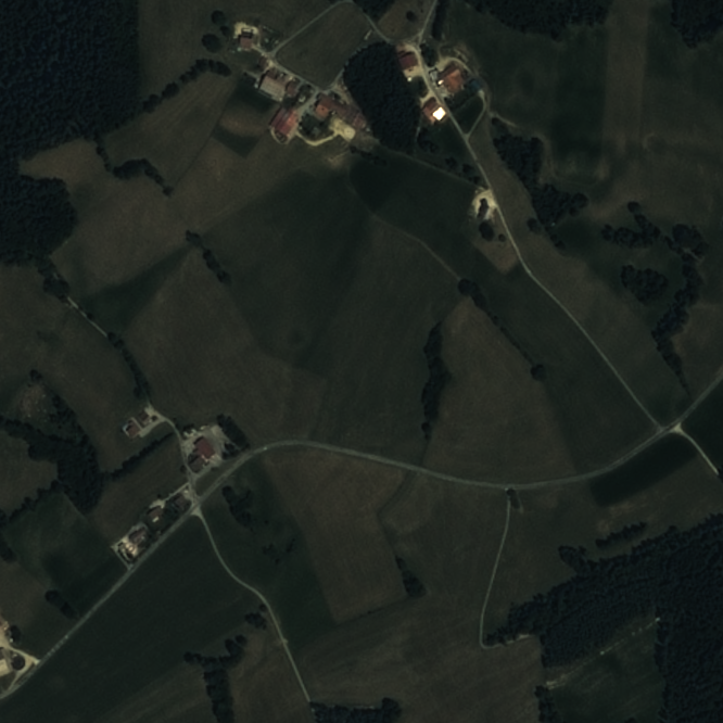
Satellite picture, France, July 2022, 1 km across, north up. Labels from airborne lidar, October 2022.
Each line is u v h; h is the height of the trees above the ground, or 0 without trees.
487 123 0
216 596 0
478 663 0
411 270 0
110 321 0
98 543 0
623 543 6
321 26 0
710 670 17
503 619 0
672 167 0
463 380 0
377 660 0
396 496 0
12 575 0
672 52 0
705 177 0
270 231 0
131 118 17
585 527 0
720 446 0
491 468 0
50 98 34
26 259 25
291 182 0
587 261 0
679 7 19
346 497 0
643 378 0
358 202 0
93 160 0
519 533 0
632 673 0
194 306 0
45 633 0
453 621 0
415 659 0
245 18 0
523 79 0
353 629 0
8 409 0
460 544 0
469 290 25
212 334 0
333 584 0
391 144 10
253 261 0
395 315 0
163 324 0
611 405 0
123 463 0
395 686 0
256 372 0
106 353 0
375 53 12
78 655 0
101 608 0
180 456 0
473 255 0
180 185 0
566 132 0
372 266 0
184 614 0
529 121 0
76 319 0
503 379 0
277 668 0
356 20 0
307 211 0
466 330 0
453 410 0
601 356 0
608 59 0
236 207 0
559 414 0
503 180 0
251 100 0
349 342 0
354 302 0
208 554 0
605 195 0
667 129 0
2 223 19
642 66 0
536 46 0
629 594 17
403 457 0
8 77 25
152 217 0
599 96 0
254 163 0
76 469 28
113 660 0
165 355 0
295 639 0
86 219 0
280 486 0
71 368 0
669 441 0
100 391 0
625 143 0
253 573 0
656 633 0
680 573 18
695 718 19
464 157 0
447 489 0
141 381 15
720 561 22
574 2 15
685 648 15
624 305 0
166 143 0
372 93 13
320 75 0
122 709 0
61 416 15
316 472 0
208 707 0
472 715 0
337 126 0
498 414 0
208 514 0
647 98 0
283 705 0
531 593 0
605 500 0
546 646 15
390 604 0
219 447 0
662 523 0
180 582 0
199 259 0
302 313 0
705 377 0
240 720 0
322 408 0
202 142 0
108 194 0
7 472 0
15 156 24
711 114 0
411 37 0
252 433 0
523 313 0
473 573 0
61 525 0
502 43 0
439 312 0
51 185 23
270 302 0
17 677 0
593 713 0
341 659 0
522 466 0
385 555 0
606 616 19
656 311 0
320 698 0
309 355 0
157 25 0
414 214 0
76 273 0
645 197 0
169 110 0
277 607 0
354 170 0
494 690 0
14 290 0
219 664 19
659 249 0
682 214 0
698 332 0
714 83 0
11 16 23
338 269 0
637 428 0
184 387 0
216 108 0
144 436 0
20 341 0
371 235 0
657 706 0
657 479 0
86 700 0
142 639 0
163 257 0
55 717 0
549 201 10
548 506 0
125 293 0
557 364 0
